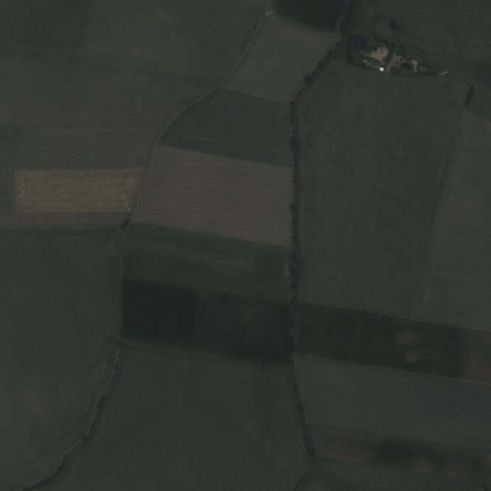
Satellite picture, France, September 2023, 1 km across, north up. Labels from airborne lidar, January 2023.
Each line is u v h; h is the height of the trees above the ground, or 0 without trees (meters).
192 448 0
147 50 0
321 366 0
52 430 0
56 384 0
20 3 0
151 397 0
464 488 0
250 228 0
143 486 0
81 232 0
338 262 0
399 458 0
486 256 0
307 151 0
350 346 0
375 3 0
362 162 0
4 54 0
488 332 0
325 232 0
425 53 0
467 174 0
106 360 0
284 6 0
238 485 0
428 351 0
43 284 0
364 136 0
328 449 0
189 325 0
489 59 0
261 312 0
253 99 0
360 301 0
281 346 0
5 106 0
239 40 0
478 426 0
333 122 0
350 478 0
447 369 0
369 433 0
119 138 0
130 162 0
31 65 0
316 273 0
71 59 0
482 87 0
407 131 0
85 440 6
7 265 0
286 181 0
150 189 0
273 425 0
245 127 0
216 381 0
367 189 0
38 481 0
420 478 0
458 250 0
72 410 0
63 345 0
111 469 0
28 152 0
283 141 0
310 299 0
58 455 0
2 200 0
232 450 0
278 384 0
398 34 0
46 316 0
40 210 0
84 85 0
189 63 0
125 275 0
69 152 0
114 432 0
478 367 0
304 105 0
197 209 0
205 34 0
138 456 0
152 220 0
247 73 0
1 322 0
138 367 0
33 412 0
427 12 0
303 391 0
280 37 0
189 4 0
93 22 0
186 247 0
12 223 0
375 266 0
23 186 0
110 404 0
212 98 0
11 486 0
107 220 0
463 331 0
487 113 0
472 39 0
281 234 0
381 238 0
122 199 0
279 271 0
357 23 0
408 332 0
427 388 0
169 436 0
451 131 0
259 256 0
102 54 0
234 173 0
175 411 0
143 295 0
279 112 0
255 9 0
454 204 0
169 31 0
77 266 0
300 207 0
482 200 0
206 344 0
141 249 0
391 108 0
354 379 0
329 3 0
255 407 0
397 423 0
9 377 0
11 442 0
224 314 0
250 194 0
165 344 0
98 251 0
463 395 0
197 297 0
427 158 0
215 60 0
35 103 0
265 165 0
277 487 0
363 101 0
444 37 0
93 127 0
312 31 0
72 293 0
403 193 0
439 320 0
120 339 0
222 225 0
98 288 0
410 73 0
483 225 0
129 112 0
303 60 0
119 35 0
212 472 0
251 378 0
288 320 0
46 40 0
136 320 0
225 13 0
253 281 0
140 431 0
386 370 0
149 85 0
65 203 0
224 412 0
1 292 0
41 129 0
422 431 0
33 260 0
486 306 0
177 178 0
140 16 0
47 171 0
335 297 0
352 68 0
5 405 0
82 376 0
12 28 0
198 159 0
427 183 0
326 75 0
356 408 0
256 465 0
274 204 0
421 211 0
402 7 0
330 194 0
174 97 0
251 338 0
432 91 0
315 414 0
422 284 0
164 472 0
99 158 0
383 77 0
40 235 0
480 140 0
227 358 0
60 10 0
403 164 0
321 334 0
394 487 0
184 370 0
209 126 0
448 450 0
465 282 0
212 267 0
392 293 0
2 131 0
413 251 0
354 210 0
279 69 0
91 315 0
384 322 0
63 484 0
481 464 0
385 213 0
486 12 0
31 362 0
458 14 0
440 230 0
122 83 0
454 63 0
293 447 0
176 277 0
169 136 0
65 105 0
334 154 0
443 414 0
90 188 0
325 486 0
